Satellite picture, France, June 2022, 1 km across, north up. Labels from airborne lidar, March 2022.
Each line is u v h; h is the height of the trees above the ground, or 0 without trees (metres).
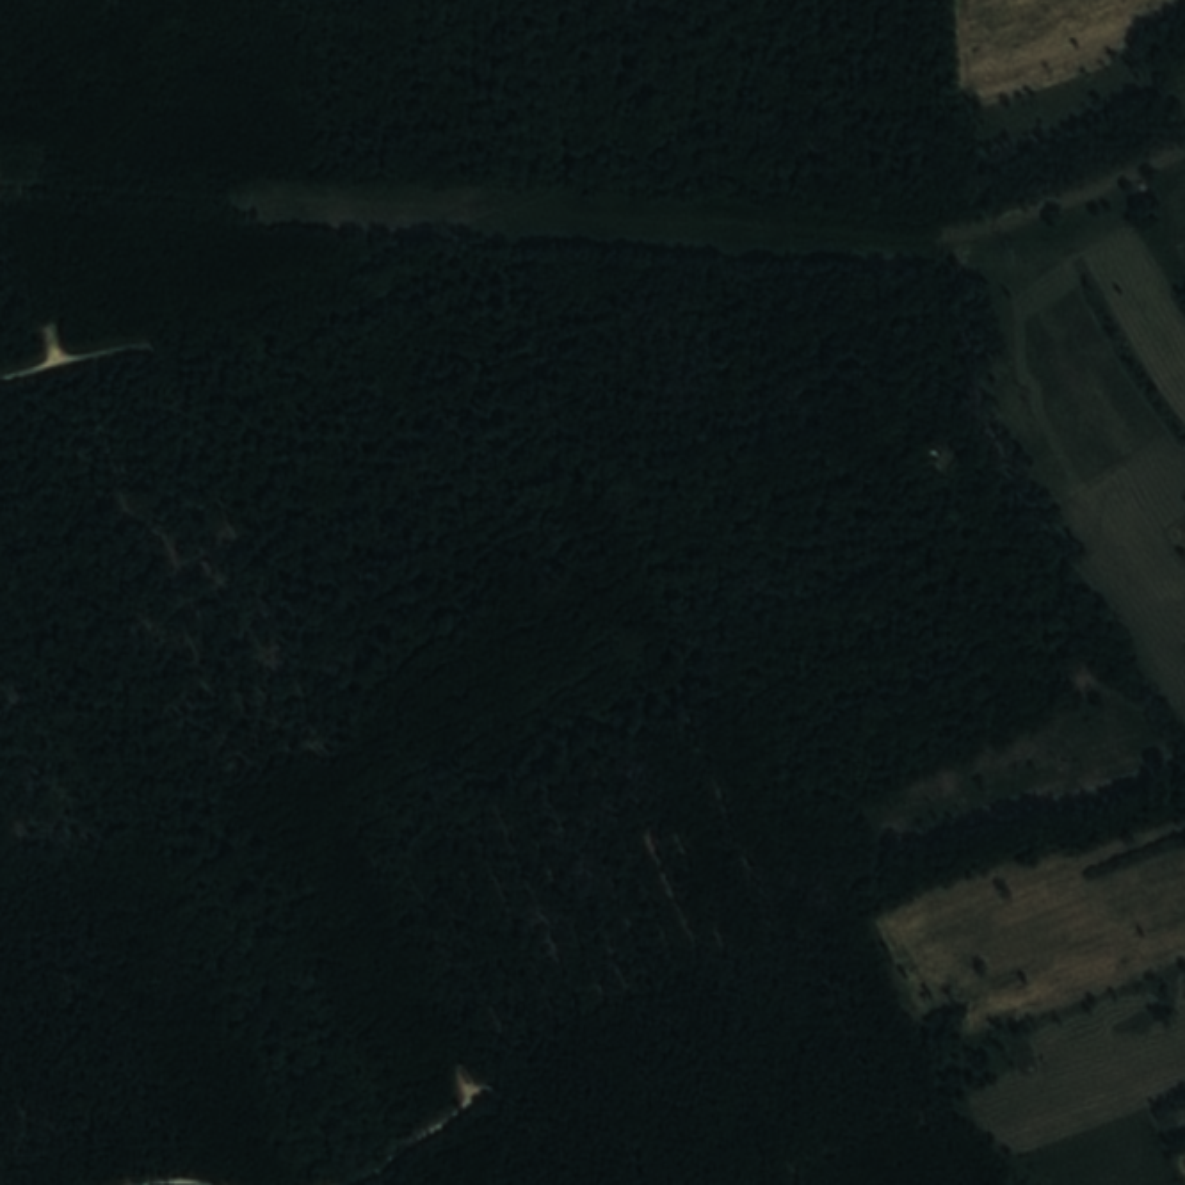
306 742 22
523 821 10
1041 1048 0
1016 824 23
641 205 0
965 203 17
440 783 22
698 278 21
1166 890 0
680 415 18
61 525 17
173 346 13
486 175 18
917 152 20
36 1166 16
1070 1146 0
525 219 0
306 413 16
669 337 6
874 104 9
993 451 25
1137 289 0
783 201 17
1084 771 0
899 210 17
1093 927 0
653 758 14
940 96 15
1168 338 0
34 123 9
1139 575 0
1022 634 21
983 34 0
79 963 23
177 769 7
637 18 17
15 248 16
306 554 14
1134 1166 0
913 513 20
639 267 16
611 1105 19
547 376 22
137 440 18
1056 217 19
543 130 16
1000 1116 0
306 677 22
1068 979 0
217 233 8
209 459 17
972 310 17
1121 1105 0
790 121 17
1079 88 0
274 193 0
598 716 0
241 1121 19
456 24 20
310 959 19
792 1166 16
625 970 19
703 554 20
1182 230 0
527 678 7
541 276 19
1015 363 0
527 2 19
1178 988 0
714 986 18
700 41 19
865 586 23
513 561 21
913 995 0
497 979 0
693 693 23
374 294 7
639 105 20
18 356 19
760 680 20
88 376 13
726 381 18
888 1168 8
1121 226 0
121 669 15
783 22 21
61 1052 22
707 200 14
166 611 18
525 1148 17
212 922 20
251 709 19
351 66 11
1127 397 0
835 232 0
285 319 14
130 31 11
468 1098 0
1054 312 0
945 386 17
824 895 18
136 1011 15
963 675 22
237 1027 26
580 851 18
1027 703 25
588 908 15
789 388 24
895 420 26
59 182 12
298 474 16
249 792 10
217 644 20
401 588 22
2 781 16
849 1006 13
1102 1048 0
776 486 17
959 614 19
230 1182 11
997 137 0
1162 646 0
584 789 13
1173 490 0
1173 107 17
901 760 27
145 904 16
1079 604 26
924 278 21
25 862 18
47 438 20
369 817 6
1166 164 0
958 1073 16
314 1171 22
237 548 18
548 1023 19
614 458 16
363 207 0
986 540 13
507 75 20
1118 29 0
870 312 20
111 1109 18
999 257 0
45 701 16
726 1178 14
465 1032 18
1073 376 0
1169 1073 0
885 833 0
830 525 17
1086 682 0
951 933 0
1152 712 21
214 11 13
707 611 19
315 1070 22
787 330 23
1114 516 0
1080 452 0
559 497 17
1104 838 20
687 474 21
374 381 16
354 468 18
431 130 15
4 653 17
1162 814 15
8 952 22
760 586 16
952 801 0
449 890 17
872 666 17
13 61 13
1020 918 0
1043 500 18
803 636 16
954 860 19
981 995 0
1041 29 0
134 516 22
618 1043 18
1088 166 18
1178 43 19
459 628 22
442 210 0
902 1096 15
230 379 18
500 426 19
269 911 13
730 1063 20
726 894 17
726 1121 0
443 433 18
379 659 21
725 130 20
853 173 22
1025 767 0
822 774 21
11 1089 20
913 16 15
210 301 12
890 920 0
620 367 16
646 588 8
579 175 23
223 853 23
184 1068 13
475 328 12
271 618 19
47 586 18
